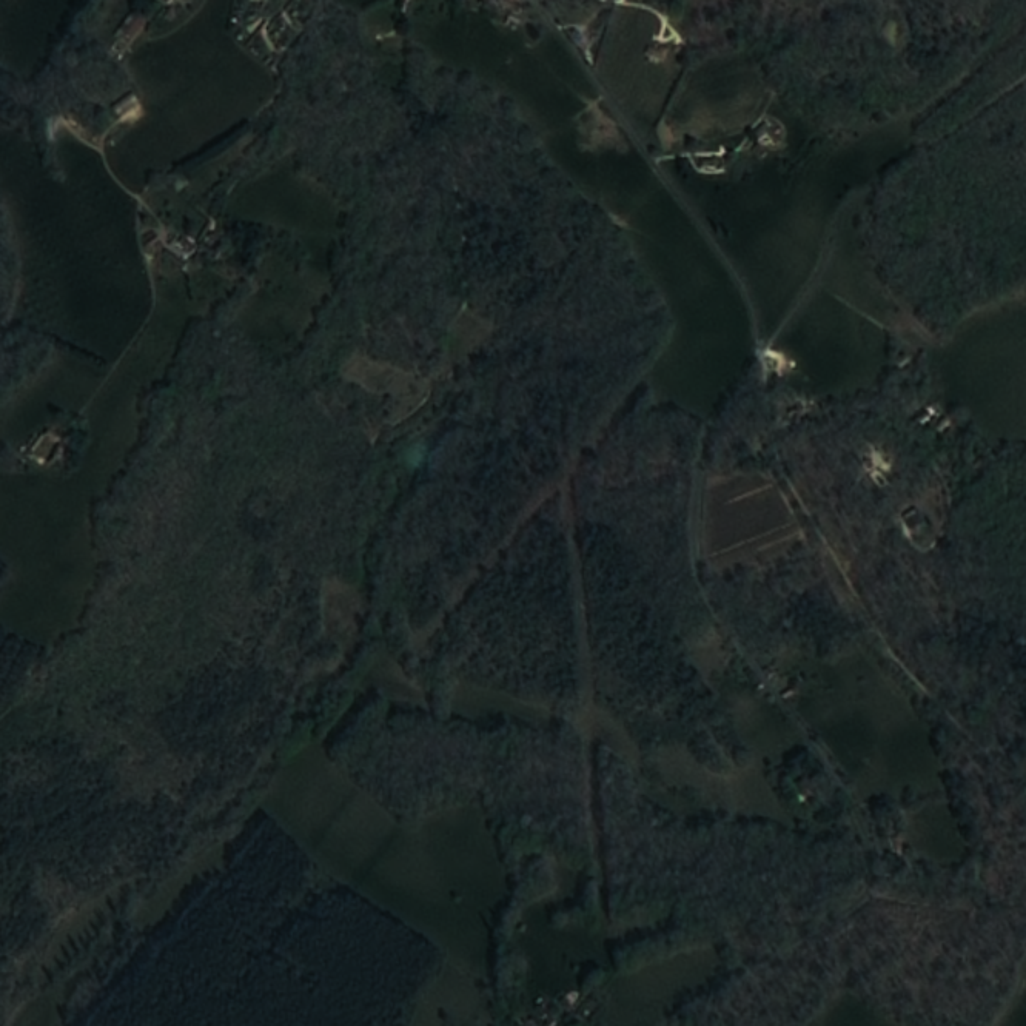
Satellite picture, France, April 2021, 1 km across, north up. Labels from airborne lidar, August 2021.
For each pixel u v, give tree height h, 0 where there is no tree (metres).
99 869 11
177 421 23
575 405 17
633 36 0
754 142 11
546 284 10
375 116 23
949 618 19
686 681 14
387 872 0
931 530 15
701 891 22
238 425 23
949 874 10
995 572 18
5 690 13
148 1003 21
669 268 0
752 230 0
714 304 0
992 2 18
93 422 0
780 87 23
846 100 23
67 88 18
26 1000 13
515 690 15
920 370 15
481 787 20
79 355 14
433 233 24
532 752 20
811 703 0
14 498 0
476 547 14
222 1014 19
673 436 18
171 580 19
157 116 0
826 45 13
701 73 0
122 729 11
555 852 19
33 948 12
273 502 6
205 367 17
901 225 27
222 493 18
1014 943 14
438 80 14
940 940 7
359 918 20
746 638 23
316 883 9
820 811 17
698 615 19
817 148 11
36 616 0
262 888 19
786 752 0
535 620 7
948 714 16
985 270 19
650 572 10
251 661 10
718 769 15
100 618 17
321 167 22
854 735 0
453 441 21
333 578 15
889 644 15
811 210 0
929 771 0
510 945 13
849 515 17
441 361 15
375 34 0
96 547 14
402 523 17
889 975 23
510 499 22
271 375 15
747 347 0
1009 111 13
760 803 0
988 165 16
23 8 0
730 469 16
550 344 19
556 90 0
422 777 18
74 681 17
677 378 0
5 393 19
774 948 22
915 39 15
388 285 25
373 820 0
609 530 11
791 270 0
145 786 13
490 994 16
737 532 0
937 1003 19
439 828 0
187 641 16
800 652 13
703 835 25
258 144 9
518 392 14
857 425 19
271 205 0
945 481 9
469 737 24
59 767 8
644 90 0
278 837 20
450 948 0
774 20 8
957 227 19
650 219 0
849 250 0
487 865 0
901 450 18
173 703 16
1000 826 10
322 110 17
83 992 18
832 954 21
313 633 13
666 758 0
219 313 17
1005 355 0
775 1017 20
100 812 10
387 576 17
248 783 12
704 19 14
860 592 13
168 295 0
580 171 0
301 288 0
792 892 22
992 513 17
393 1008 18
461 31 0
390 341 11
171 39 0
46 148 13
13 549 0
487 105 21
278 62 11
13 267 17
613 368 15
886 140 0
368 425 7
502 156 16
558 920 18
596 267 16
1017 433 0
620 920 13
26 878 10
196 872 0
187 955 20
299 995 17
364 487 29
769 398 18
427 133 22
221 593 13
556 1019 9
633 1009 0
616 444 12
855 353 0
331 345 20
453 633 11
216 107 0
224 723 14
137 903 19
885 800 10
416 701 0
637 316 21
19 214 0
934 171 23
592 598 7
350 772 15
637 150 0
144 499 20
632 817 19
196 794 13
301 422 19
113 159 0
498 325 13
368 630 25
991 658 23
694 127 0
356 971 19
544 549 15
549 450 10
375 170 15
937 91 18
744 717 0
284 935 12
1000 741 13
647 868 20
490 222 16
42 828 16
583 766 19
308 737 18
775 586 18
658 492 12
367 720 23
